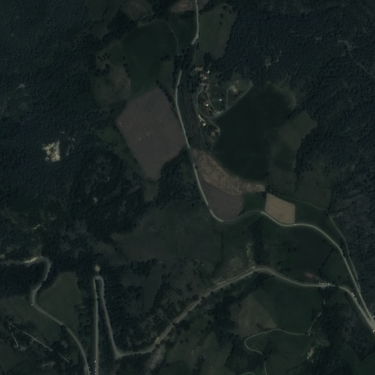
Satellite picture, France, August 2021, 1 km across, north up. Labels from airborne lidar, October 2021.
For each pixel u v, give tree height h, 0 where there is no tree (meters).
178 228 0
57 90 12
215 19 0
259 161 0
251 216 0
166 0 12
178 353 0
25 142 10
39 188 11
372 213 6
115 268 10
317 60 12
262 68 10
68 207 10
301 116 0
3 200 13
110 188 11
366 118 10
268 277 8
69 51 6
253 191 0
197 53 0
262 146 0
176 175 8
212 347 0
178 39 0
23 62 8
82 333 6
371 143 8
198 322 0
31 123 8
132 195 9
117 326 10
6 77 11
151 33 0
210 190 0
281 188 0
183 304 7
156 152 0
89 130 9
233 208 0
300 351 0
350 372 16
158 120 0
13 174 11
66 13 6
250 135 0
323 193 0
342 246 9
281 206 0
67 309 0
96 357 0
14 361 0
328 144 9
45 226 10
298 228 0
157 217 0
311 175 0
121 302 6
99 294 10
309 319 0
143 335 7
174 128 0
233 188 0
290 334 0
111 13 0
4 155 17
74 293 0
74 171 7
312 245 0
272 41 7
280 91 0
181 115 0
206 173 0
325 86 10
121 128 0
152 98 0
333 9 10
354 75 14
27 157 10
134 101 0
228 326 6
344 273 0
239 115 0
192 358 0
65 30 11
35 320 0
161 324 11
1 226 13
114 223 11
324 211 7
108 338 11
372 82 7
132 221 7
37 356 5
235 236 0
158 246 0
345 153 9
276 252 0
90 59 16
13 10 9
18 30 6
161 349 0
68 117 10
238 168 0
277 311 0
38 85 9
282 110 0
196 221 0
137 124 0
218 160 0
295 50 12
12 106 5
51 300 0
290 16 10
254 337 0
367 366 0
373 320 0
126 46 0
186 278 0
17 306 0
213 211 0
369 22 6
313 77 12
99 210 13
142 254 0
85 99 6
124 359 11
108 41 20
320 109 13
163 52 0
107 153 7
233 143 0
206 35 0
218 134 10
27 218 7
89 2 0
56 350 14
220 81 7
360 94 6
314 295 0
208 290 0
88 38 12
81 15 8
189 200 7
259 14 13
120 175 13
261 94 0
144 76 0
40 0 10
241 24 10
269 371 0
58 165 9
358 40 11
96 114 11
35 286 0
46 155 9
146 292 0
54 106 9
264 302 0
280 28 14
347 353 0
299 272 0
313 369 19
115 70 0
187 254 0
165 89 10
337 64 9
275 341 0
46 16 10
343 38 6
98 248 0
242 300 14
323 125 6
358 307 0
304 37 12
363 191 7
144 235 0
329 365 14
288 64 10
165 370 0
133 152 0
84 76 9
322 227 0
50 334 0
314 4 6
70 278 0
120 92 0
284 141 0
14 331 11
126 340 7
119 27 10
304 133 0
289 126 0
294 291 0
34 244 9
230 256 0
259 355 8
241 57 8
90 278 7
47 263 0
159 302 7
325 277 11
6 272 17
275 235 0
